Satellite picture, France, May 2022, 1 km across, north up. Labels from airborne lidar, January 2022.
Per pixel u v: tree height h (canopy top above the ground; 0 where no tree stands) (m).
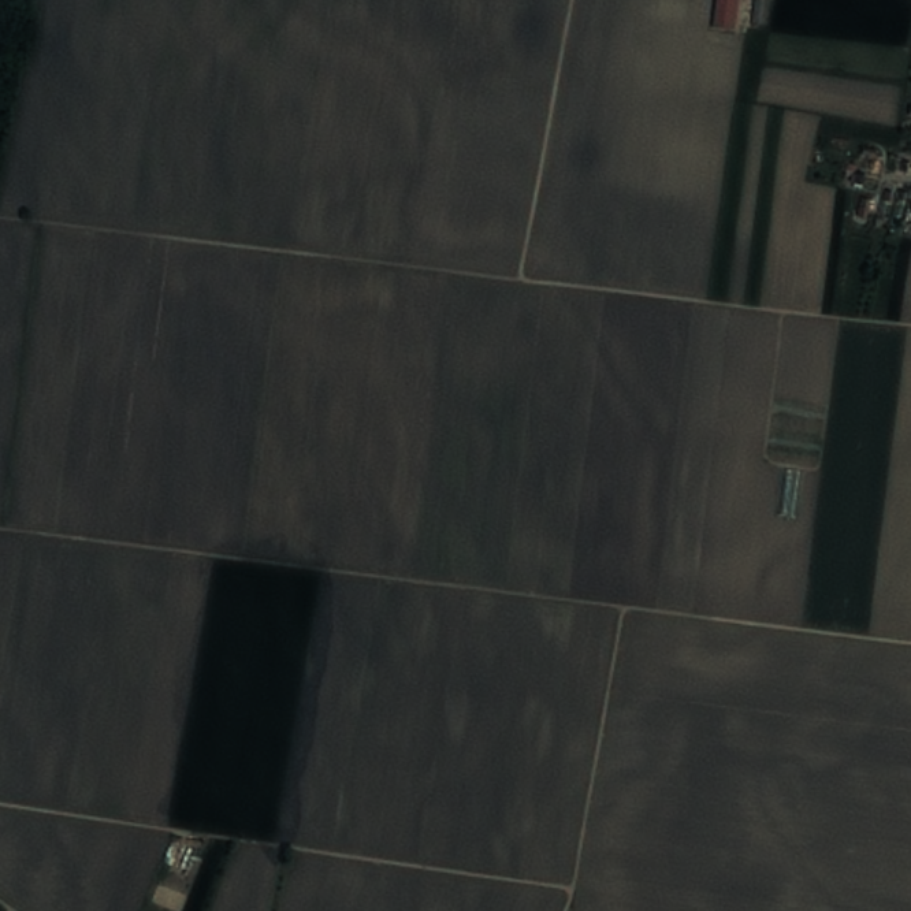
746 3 0
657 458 0
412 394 0
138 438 0
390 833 0
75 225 0
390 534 0
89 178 0
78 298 0
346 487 0
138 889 0
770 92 0
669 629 0
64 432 0
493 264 0
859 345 0
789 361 0
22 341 0
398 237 0
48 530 0
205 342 0
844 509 0
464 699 0
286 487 0
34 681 0
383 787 0
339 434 0
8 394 0
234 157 0
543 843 0
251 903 0
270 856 0
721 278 0
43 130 0
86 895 0
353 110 0
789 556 0
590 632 0
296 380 0
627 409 0
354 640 0
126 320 0
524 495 0
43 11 0
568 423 0
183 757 0
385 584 0
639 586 0
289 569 0
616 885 0
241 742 0
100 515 0
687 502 0
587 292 0
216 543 0
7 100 16
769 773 0
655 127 0
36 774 0
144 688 0
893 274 0
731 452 0
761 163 0
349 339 0
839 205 0
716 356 0
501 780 0
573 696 0
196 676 0
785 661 0
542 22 0
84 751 0
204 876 0
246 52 0
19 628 0
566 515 0
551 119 0
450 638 0
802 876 0
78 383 0
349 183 0
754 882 0
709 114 0
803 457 0
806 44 0
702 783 0
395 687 0
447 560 0
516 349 0
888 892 0
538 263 0
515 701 0
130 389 0
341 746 0
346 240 0
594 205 0
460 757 0
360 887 0
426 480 0
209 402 0
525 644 0
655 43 0
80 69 0
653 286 0
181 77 0
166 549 0
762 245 0
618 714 0
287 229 0
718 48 0
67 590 0
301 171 0
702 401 0
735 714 0
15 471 0
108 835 0
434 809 0
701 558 0
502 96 0
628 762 0
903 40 0
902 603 0
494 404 0
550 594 0
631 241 0
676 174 0
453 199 0
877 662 0
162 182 0
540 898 0
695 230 0
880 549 0
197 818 0
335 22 0
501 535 0
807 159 0
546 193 0
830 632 0
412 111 0
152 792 0
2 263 0
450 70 0
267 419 0
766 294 0
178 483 0
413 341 0
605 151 0
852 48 0
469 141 0
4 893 0
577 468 0
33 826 0
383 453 0
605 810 0
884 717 0
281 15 0
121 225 0
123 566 0
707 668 0
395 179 0
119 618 0
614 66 0
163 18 0
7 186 0
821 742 0
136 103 0
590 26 0
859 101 0
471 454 0
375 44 0
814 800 0
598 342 0
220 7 0
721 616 0
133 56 0
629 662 0
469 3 0
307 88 0
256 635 0
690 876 0
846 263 0
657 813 0
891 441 0
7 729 0
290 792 0
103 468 0
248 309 0
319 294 0
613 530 0
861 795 0
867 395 0
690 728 0
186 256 0
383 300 0
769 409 0
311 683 0
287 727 0
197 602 0
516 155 0
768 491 0
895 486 0
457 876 0
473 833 0
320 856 0
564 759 0
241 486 0
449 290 0
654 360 0
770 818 0
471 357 0
